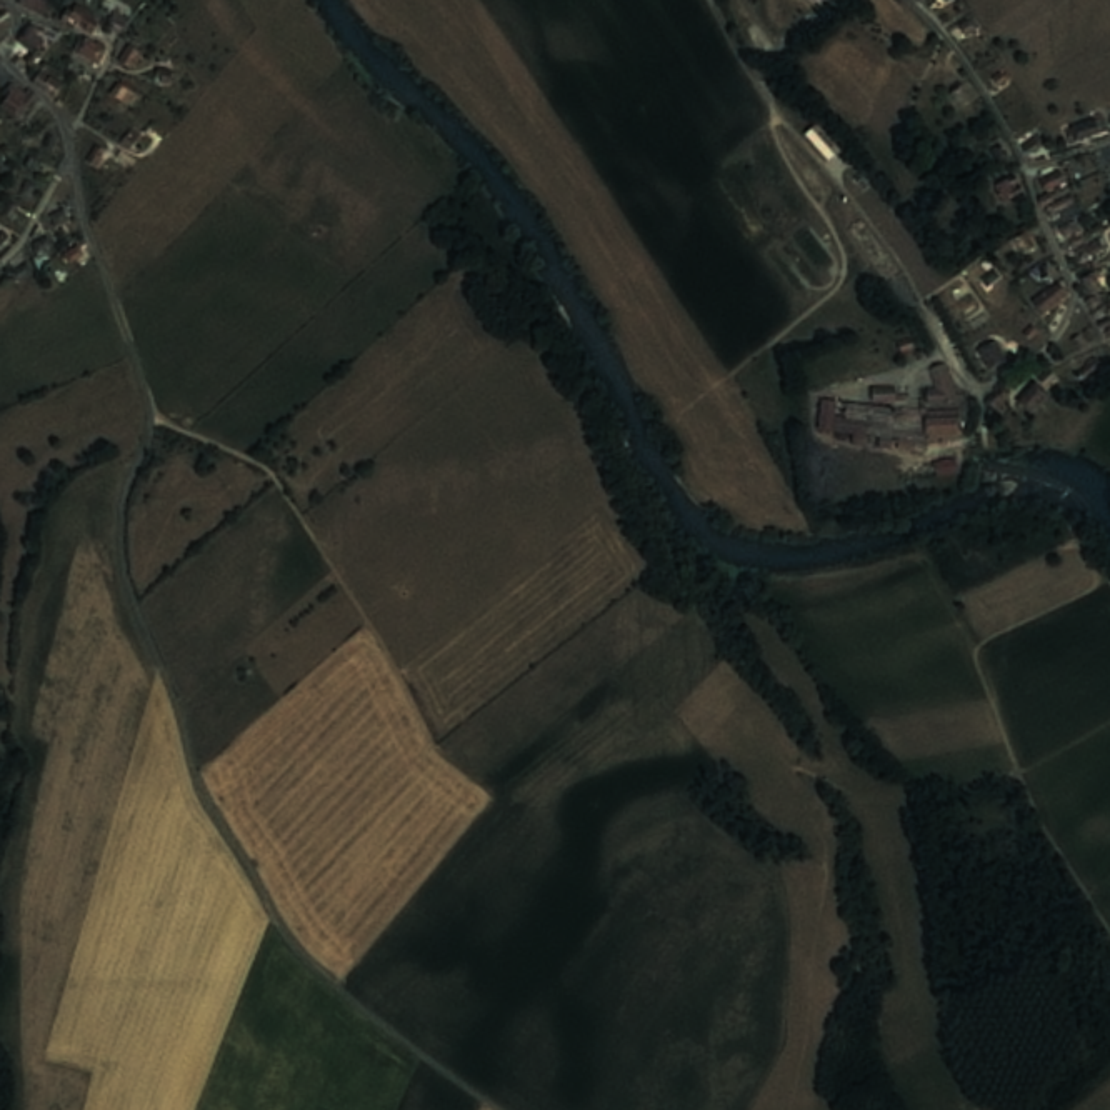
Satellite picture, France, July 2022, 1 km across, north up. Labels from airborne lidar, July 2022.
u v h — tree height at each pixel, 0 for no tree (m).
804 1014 0
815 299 0
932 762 0
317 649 0
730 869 0
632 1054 0
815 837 0
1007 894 8
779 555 0
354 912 0
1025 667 0
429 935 0
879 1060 21
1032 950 18
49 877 0
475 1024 0
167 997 0
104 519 0
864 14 17
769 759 0
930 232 24
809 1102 0
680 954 0
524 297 24
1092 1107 0
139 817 0
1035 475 0
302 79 0
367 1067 0
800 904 0
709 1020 0
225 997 0
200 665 0
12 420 0
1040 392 0
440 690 0
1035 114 0
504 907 0
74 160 0
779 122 0
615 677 0
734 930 0
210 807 0
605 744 0
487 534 0
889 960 9
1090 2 0
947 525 15
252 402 0
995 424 22
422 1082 0
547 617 0
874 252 0
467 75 0
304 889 0
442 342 0
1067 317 0
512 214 0
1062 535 12
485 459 0
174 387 0
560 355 28
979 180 22
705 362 0
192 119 0
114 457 8
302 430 0
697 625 0
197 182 0
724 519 18
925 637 0
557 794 0
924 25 0
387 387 0
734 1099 0
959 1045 26
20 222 0
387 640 0
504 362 0
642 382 0
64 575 0
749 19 0
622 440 22
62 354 0
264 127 0
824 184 0
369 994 0
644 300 0
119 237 0
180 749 0
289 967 0
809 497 12
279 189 0
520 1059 0
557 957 0
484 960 0
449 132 0
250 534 0
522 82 0
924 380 0
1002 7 0
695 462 0
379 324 0
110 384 0
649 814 0
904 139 23
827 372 0
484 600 0
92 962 0
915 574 0
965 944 24
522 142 0
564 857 0
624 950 0
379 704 0
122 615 0
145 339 0
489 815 0
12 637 7
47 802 0
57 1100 0
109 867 0
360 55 0
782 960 0
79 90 0
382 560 0
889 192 14
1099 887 0
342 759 0
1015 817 22
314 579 0
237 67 0
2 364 0
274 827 0
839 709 16
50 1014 0
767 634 0
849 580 0
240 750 0
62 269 0
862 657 0
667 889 0
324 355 0
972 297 0
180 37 0
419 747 0
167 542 0
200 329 0
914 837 15
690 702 0
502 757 0
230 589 0
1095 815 0
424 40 0
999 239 18
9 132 0
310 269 0
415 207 0
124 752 0
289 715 0
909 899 0
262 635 0
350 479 7
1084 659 0
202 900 0
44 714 0
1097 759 0
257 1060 0
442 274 10
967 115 0
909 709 0
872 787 0
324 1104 0
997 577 0
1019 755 0
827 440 0
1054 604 0
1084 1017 17
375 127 0
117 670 0
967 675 0
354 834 0
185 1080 0
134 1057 0
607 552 0
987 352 0
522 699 0
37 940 0
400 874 0
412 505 0
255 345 0
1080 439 0
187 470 0
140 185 0
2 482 0
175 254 0
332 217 0
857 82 0
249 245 0
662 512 22
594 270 0
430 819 0
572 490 0
